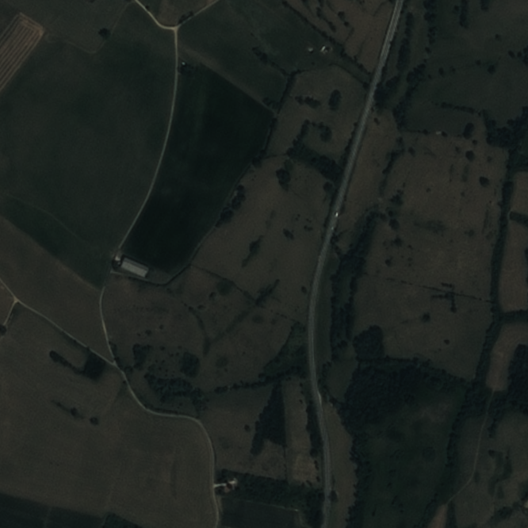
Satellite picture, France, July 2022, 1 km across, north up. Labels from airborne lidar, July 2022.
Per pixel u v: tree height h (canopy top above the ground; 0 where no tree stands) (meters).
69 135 0
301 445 0
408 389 15
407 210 0
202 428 0
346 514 0
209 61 0
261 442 12
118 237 0
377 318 0
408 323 0
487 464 0
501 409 7
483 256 0
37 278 0
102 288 0
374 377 19
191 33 0
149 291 0
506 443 0
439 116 0
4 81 0
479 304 0
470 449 0
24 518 0
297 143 13
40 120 0
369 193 0
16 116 0
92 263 0
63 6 0
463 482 0
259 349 0
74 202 0
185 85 0
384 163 0
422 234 0
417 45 0
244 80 0
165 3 0
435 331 0
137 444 0
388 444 0
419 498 0
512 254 0
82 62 0
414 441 0
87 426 0
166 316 0
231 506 0
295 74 12
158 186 0
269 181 0
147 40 0
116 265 8
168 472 0
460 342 0
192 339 0
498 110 0
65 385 0
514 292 0
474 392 7
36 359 0
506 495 0
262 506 0
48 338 0
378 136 0
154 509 0
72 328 0
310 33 0
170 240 0
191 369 7
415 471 0
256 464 0
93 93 0
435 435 0
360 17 0
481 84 0
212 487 0
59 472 0
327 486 0
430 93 0
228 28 0
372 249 0
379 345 18
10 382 0
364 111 0
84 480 0
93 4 0
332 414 0
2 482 0
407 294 0
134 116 0
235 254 0
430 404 0
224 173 0
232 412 0
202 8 0
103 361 6
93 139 0
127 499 0
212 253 0
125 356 0
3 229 0
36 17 0
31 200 0
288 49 0
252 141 0
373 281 0
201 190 0
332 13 0
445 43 0
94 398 0
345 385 0
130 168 0
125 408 0
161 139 0
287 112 0
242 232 0
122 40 0
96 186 0
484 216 0
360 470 10
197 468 0
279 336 0
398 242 11
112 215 0
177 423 0
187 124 0
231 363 0
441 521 0
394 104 0
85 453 0
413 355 0
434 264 0
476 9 0
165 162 0
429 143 0
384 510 0
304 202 0
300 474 0
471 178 0
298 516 0
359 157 0
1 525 0
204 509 0
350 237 0
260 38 0
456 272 0
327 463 0
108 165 0
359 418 18
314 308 0
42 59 0
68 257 0
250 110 0
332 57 0
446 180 0
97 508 0
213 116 0
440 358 0
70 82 0
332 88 0
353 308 18
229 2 0
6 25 0
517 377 15
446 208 0
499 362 0
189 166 0
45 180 0
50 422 0
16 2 0
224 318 0
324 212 0
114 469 0
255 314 0
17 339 0
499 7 0
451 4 0
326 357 0
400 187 0
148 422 0
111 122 0
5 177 0
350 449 0
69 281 0
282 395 12
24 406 0
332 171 20
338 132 0
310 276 0
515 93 0
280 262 0
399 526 0
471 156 14
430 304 0
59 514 0
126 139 0
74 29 0
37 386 0
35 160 0
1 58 0
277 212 0
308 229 6
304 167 0
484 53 0
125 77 0
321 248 0
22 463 0
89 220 0
